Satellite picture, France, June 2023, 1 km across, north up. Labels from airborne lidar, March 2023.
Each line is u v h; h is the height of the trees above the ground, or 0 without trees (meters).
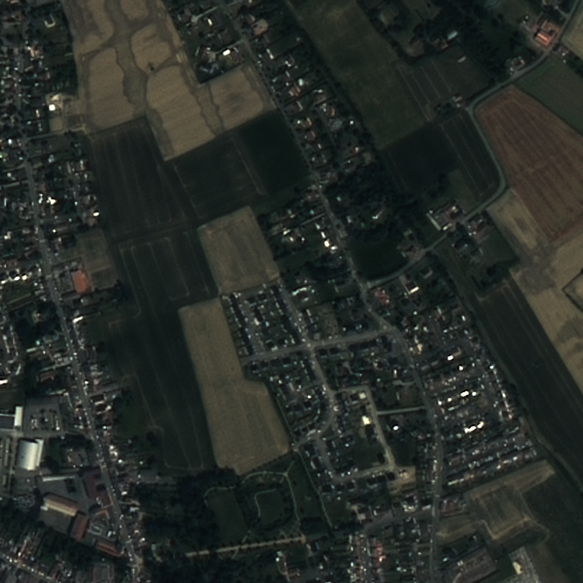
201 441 0
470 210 0
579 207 0
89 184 6
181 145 0
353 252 0
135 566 0
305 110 0
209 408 0
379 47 0
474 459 0
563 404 0
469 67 0
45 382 14
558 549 0
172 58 0
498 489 0
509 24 0
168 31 0
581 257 0
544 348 0
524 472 0
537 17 0
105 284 0
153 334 0
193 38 0
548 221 0
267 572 0
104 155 0
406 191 0
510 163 0
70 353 0
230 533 0
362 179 13
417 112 0
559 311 0
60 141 0
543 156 0
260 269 0
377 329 0
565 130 0
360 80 0
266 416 0
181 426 0
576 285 0
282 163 0
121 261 0
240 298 0
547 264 0
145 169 0
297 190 10
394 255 0
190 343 0
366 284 0
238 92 0
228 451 0
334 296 0
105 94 0
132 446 7
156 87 0
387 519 0
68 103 0
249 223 0
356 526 15
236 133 0
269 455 0
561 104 0
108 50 0
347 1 0
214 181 0
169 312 0
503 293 0
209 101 0
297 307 0
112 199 0
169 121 0
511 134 0
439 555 0
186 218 0
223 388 0
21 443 0
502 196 0
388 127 0
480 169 0
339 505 0
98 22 0
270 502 0
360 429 0
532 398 0
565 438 0
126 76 0
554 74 0
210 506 0
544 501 0
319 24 0
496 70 10
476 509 0
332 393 0
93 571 0
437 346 0
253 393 0
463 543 0
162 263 0
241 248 0
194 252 0
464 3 12
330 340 0
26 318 0
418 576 0
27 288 0
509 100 0
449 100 0
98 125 0
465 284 0
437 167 0
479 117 0
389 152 0
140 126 0
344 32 0
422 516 0
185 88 0
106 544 0
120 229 0
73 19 0
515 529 0
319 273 16
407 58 6
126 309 0
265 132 0
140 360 0
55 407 0
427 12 0
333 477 0
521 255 0
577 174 0
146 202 0
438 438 0
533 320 0
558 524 0
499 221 0
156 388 0
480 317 0
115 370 0
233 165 0
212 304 0
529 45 0
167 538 0
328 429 0
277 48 0
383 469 0
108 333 0
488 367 0
